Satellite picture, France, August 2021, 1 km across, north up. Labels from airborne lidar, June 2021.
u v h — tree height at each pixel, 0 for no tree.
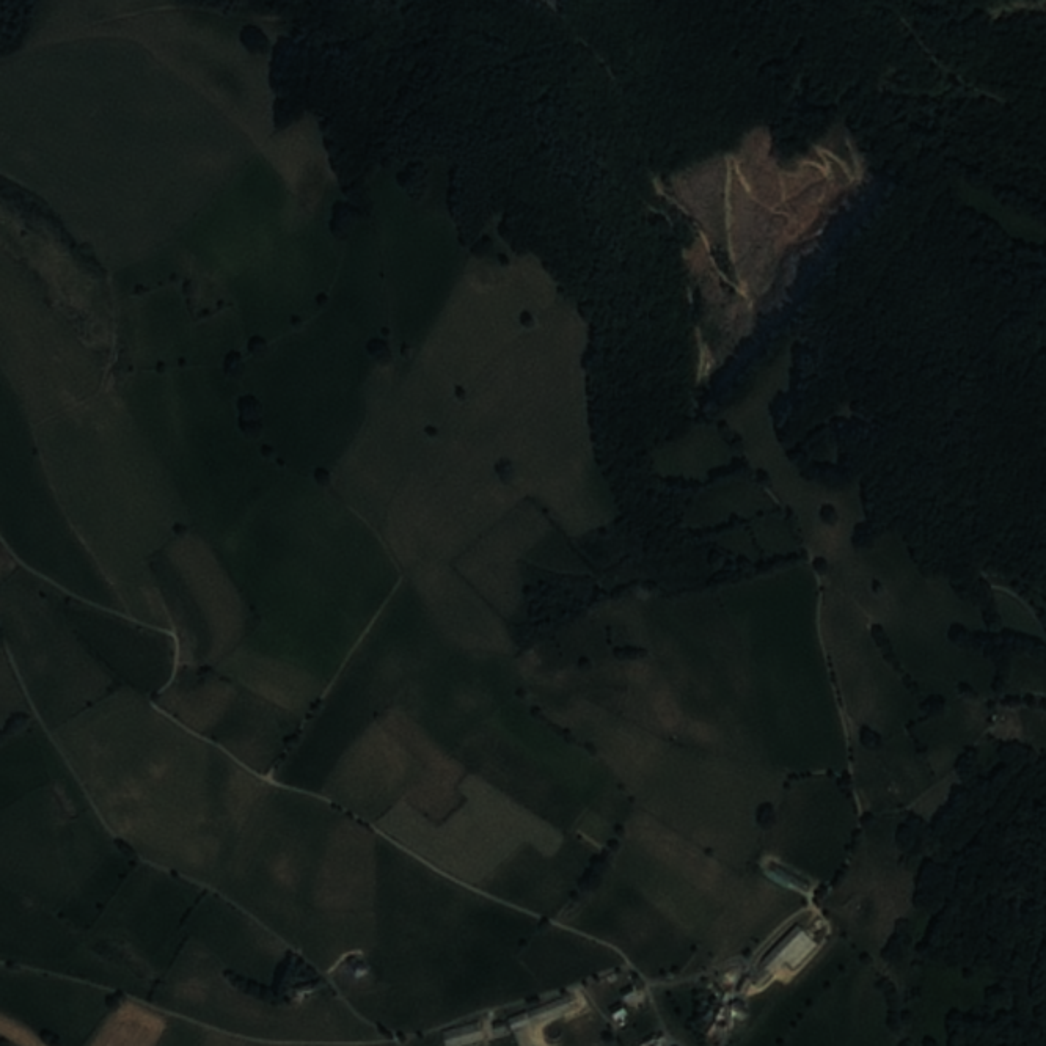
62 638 0
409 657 0
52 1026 0
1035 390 23
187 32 0
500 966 0
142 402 0
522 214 13
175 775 0
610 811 0
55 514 0
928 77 29
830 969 0
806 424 26
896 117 25
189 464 0
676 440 20
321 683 0
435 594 0
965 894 27
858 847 10
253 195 0
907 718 0
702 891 0
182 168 0
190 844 0
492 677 0
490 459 0
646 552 8
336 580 0
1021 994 17
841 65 22
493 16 13
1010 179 8
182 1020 0
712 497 0
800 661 0
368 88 23
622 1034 0
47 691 0
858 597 0
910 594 0
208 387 0
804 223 33
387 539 0
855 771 0
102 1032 0
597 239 13
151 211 0
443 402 0
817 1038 0
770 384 0
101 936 0
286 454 0
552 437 0
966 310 17
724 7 28
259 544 0
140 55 0
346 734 0
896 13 20
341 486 0
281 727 0
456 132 11
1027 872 25
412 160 13
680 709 0
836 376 28
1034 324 21
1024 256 16
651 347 18
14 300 0
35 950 0
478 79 13
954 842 25
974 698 10
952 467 28
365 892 0
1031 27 15
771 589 0
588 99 12
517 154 15
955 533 28
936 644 0
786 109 30
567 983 0
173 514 0
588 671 10
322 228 0
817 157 0
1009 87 12
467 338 0
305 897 0
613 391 21
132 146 0
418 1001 0
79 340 0
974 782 17
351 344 0
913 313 17
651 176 17
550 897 0
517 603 0
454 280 0
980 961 24
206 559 0
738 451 18
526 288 0
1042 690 0
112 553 0
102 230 0
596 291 19
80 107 0
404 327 0
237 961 0
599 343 20
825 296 29
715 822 0
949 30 26
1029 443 23
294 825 0
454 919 0
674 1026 0
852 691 0
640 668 0
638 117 19
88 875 0
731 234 0
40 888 0
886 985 13
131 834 0
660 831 0
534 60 10
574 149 17
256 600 0
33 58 0
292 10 19
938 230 20
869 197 28
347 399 0
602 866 15
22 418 0
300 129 0
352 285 0
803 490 0
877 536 19
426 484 0
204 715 0
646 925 0
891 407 24
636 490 15
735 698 0
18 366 0
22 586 0
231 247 0
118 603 0
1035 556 19
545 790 0
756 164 0
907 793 0
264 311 0
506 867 0
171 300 0
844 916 0
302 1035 0
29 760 0
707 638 0
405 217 0
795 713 0
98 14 0
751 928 0
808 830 0
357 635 0
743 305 0
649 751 0
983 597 22
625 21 17
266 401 0
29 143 0
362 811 0
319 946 0
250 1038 0
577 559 0
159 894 0
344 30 18
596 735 0
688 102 22
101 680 0
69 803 0
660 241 17
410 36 16
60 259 0
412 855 0
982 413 22
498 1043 0
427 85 15
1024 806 21
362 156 21
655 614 0
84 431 0
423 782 0
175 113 0
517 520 0
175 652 0
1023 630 0
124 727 0
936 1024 0
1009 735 0
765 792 0
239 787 0
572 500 0
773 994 0
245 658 0
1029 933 22
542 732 0
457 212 14
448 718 0
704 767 0
